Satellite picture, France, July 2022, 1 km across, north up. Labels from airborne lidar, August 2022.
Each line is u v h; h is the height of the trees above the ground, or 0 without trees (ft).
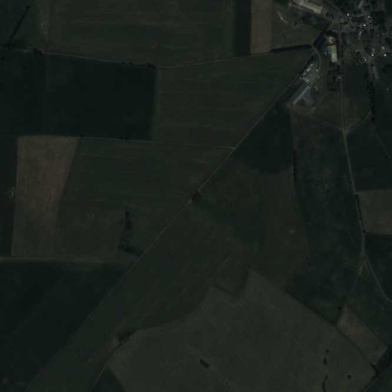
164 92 0
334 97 0
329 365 0
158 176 0
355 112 0
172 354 0
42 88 0
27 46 0
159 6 0
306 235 0
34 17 0
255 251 0
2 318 0
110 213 0
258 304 0
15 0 0
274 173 0
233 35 0
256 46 0
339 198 0
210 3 0
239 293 0
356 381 0
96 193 0
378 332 0
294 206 0
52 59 0
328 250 0
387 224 0
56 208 0
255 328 0
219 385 0
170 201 0
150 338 0
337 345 0
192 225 0
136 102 0
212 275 0
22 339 0
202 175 0
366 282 0
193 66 0
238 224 0
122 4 0
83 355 0
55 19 0
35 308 0
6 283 0
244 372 0
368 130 0
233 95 0
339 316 0
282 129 0
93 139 0
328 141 0
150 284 0
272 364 0
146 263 0
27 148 0
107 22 0
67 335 0
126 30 0
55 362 0
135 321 0
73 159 0
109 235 0
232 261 0
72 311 0
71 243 0
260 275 0
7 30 0
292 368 0
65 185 0
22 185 0
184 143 0
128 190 0
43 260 0
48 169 0
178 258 0
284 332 0
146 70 0
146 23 0
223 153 0
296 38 0
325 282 0
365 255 0
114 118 0
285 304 0
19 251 0
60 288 0
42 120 0
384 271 0
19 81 0
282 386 0
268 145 0
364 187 0
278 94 0
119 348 0
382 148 0
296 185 0
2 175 0
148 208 0
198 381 0
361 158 0
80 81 0
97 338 0
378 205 0
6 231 0
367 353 0
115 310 0
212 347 0
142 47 0
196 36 0
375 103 33
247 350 0
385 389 0
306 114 0
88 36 0
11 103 0
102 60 0
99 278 0
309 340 0
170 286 0
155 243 0
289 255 0
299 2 0
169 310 0
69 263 0
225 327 0
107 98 0
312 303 0
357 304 0
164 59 0
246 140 0
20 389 0
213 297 0
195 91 0
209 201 0
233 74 0
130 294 0
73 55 0
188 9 0
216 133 0
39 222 0
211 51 0
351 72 0
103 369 0
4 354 0
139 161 0
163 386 0
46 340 0
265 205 0
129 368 0
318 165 0
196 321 0
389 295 0
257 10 0
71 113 0
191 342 0
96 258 0
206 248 0
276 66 0
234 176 0
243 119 0
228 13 0
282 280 0
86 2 0
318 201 0
